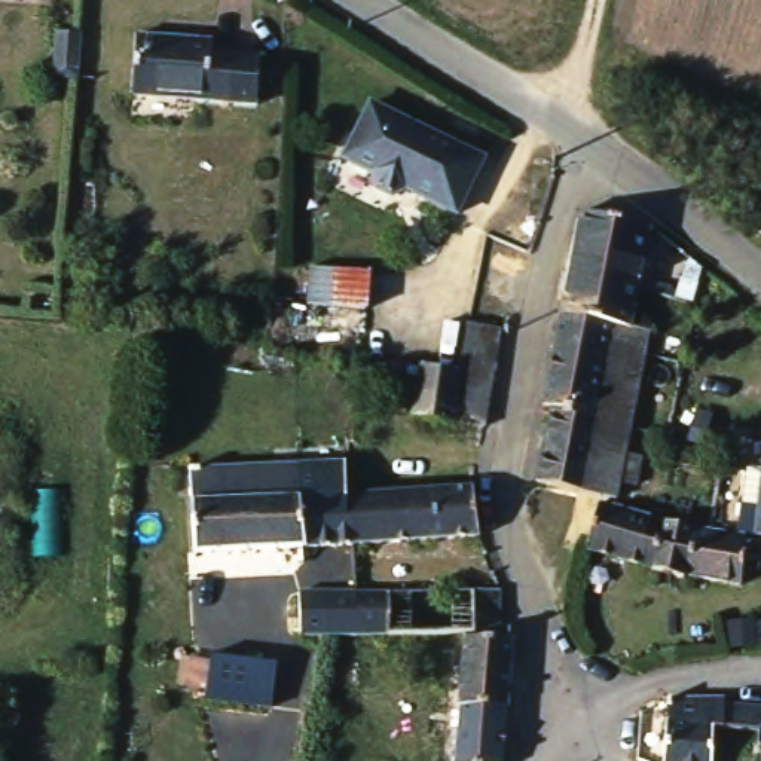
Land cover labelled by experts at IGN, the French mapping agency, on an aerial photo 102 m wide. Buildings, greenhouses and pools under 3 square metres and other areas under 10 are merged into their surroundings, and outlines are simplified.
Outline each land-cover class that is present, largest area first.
<instances>
[{"label":"herbaceous vegetation","instance_id":"1","mask_svg":"<svg viewBox=\"0 0 761 761\"><path fill-rule=\"evenodd\" d=\"M51 0H0V214H6L18 196L39 190L45 184H56V211L51 229L65 232L68 178L74 125L83 131H95L92 166L104 169L107 163H113L110 196L104 205V211L113 217H125L134 208H152L155 232H193L202 244H220L226 235H247L235 253L208 259V273L235 279L238 273L250 271H276V253L262 247V214L276 211L282 205V181L259 178L256 161L265 155H282V137H268V128L282 122L285 116V98H279L282 74L288 68H297V110L303 116L315 110L318 95L330 104L324 110V137L333 149L342 146L366 101L386 98L389 92L404 86L407 77L330 39V27L309 21L303 12L291 6V0H83L80 24L68 30V68L59 74L51 59L56 30L48 12ZM235 12L241 18V30H250L265 42V48H271L259 65L256 101V110L196 107L190 116H178V128L172 125L131 128L116 110V95L122 92L134 101L140 95L131 86L137 71L131 54L137 51L140 33H146L155 24L214 27L223 15ZM30 62H39L42 74L48 77L51 104L45 101L39 107H30L18 95V71ZM21 143H45V161L39 169L15 163ZM416 9L440 30L493 56L496 62L514 71H550L571 54L586 0H556L550 12V30H526L508 42H496L473 21L446 15L434 0H398ZM618 0H606L592 65V107L603 116L615 107V98L609 95L612 71L618 65L642 62L648 54L639 45L627 42L624 33H618ZM565 175L562 155L544 146L532 152L529 166L517 181V190H511L505 208L490 223L511 235H529V253L541 250L553 217V202ZM383 229L404 232L407 223L398 217L395 205L378 208L345 193L339 187V175L330 172V161H315V155L303 149L294 152L291 259L297 271L291 276L300 285L303 279H309V265L366 268L372 273L369 297L383 303L401 294L407 273L398 268H386L375 256V241ZM51 273H59V265H54L51 259L33 262L27 259L18 241H0V294H18V282H30L33 276L36 282H51ZM702 309V321L693 327L690 339L681 342L678 348H669L663 360L645 357L630 449L621 458V485H630V496L663 493L666 479L663 473L651 470V461L642 449L645 428L663 434L672 464H684V452L693 449L696 437L702 431H710L725 449V464L737 473L761 461V300L746 285H740L713 256L702 268L693 300ZM119 351L110 345L107 330L74 333L65 330L62 321L56 324L0 318V416L9 404H18L21 419L27 425L42 428V476H48L51 482L71 485L74 493L71 556H59L51 574L36 589L21 583V595H9L6 583H0V761H110L119 663L104 660L101 675H95L86 657L71 654V645L119 642L122 627L107 624L104 612L125 603L122 562L134 470L125 458L113 464L104 422L110 398V363ZM229 375L223 386V401L211 428L199 440L187 443L184 452L169 455L166 461H155L149 467V505L140 514L137 532V541L143 544L137 550V571L143 577V609L137 636L146 642L193 636L187 621V600L193 580L187 574V464L202 467L211 458L238 461L241 452L327 455L336 449H348L351 511L360 508L366 488L389 485L395 473H485L479 467V440H473L470 434L464 443L428 440L416 434V422L422 416H416L410 407H407L392 416V437L383 455L369 449H351L354 419L345 410L339 375L294 366L282 354H268L259 345H241L226 369ZM574 517V499L547 490L541 493L538 514H529V523L544 547L547 562L556 571V583L565 586L574 544L565 535ZM354 556L372 559L375 580H440L446 574H455L464 568L482 571L488 565L485 550L482 538L461 541L452 532H434L425 541L422 535H404L401 544L386 541L381 550L375 544L354 547ZM586 562L595 568V592L583 598V624L595 645L586 657V663L595 666L600 678L612 681L621 675L630 657L651 651L654 642L657 648H669L699 639L702 624L716 612H722L731 657H761V577L749 583L740 580L737 586H722L699 580L696 568L684 574L675 565L645 568L630 556H615L612 562L600 553H589ZM389 636H383L366 633L357 639H333L336 648L327 678V702L354 722L345 731L348 746L336 749L330 761H446L449 690L437 681H413L401 669L398 657L386 648ZM137 716L128 731V752H146V761H214L205 716L211 710L232 707V702L226 699H193L178 684L175 654L140 660L131 669Z\"/></svg>","mask_w":761,"mask_h":761},{"label":"building","instance_id":"2","mask_svg":"<svg viewBox=\"0 0 761 761\"><path fill-rule=\"evenodd\" d=\"M271 48H265V42L250 30H241V18L235 12L223 15L214 27L155 24L146 33H140L137 51L131 54L137 71L131 86L140 95H214L256 101L259 65ZM51 59L59 74L68 68V30H56ZM342 146L348 149V158L354 163L366 166H389L392 190L419 193L422 202L449 214L455 211V205H464L467 211L493 196V187L514 146L458 119L455 113L404 86L389 92L386 98L366 101ZM687 202V187H678L609 196L589 205L580 217L568 288L586 300V312L568 315L556 324L547 386L559 398H544L541 407H547L550 413L538 416L529 428L544 434L538 476L547 482L565 479L571 485L600 493L603 502L598 505L595 526L586 535L589 553H600L612 562L615 556H630L645 568L675 565L684 574L696 568L699 580L722 586H737L740 580L749 583L761 577V488L758 499L749 502V508L755 511L752 532H740L734 520H728V511L722 505H699L696 499H669L663 493L630 496V485H621V458L630 449L645 357L663 360L669 348H678L681 342L669 336V330L678 321L672 303L678 297L693 300L702 268L693 259L702 247L684 232ZM372 273L366 268L309 265V279H303L300 285L306 297L300 303H291L294 339L342 342L351 333H360L369 297ZM505 336L502 315L473 309L464 312L458 321L443 324L440 354H449V360L443 369L437 363L422 366L425 383L419 401L410 407L416 416H431L434 410L449 419L470 416H488L496 375V345ZM532 482L517 479L511 473H395L389 485L366 488L360 508L351 511L348 449H336L327 455L241 452L238 461L211 458L202 467L187 464V574L193 580H199L202 574H300V630L327 633L333 639H357L366 633L383 636L389 627L446 624L470 627L464 636H458L461 660L452 669L449 690L446 761H482L490 630L476 627V589L461 586L455 574H446L440 580L443 592L455 598V603L449 612H437L428 603L431 589L425 580H375L372 559L354 556V547L375 544L381 550L386 541L401 544L404 535H422L425 541L434 532H452L461 541L482 538L485 550L496 547L499 526L517 517L523 493ZM42 490L33 517V553L48 556L54 550L59 556H71L74 493L71 485L51 482L48 476H42ZM178 684L193 699H226L232 702V707L256 710L265 705H276V663L265 657L226 654V648H202L199 657L190 654L175 648V654ZM716 728L752 731V749H758V761H761V687L752 684L749 702H743L734 687L699 684L681 690L669 707V761H716Z\"/></svg>","mask_w":761,"mask_h":761},{"label":"impervious surface","instance_id":"3","mask_svg":"<svg viewBox=\"0 0 761 761\"><path fill-rule=\"evenodd\" d=\"M312 6H318L339 24L351 27L372 45L383 48L422 77L455 92L482 113L499 119L517 137L526 128H544V146L562 155L565 175L553 202V217L541 250L529 253V235H511L490 223L485 232L473 309L502 315L505 336L496 345V375L488 416H470V422L476 425L470 434L473 440H479V467L485 473H511L517 479L532 482L523 493L517 517L499 526L496 547L485 550L488 565L482 571L464 568L455 574L461 586L476 589V627L490 630L482 761H669V707L681 690L699 684L734 687L743 702H749L752 684L761 687V657H731L713 663L657 669L636 678L621 675L612 681L600 678L595 666L586 663V657L580 651H571L562 636L565 586L556 583V571L547 562L544 547L529 523V514H538L541 493L547 490V482L538 476L544 434L529 428L538 416L550 413L547 407H541L544 398H559L547 386L556 324L568 315L586 312V300L568 288L580 217L589 205L609 196L678 187L657 161L633 149L615 128L606 125L603 131L592 134L589 125L577 122L565 107L538 104L520 95L523 80L529 77L526 71H514L496 62L493 56L440 30L416 9L398 0H309ZM256 101L214 95H140L134 101L137 113L169 116L172 125L178 128V116H190L196 107L256 110ZM330 172L339 175V187L345 193L378 208L395 205L398 217L407 223L419 217L422 202L419 193L392 190L360 184L366 166L354 163L348 158V149L342 146L333 149L330 161ZM684 232L702 247L693 259L702 268L713 256L740 285H746L761 300V232L743 238L722 220H705L702 199L687 202ZM761 488V461L737 473L728 485V520H734L740 532H752L755 511L749 508V502L758 499ZM187 621L193 636L190 654L199 657L202 648H226V654L265 657L276 663V705H265L256 710L232 707L211 710L205 716L214 761H291L312 660L306 648L291 642V636L300 630V574H202L199 580H193L187 600Z\"/></svg>","mask_w":761,"mask_h":761},{"label":"deciduous trees","instance_id":"4","mask_svg":"<svg viewBox=\"0 0 761 761\"><path fill-rule=\"evenodd\" d=\"M609 95L615 98V107L603 116L606 125L615 128L633 149L657 161L678 187H687V202L702 199L705 220H722L743 238L761 232V74L734 77L728 68H719L707 56L648 54L642 62L618 65L612 71ZM113 163H107L104 169L92 166L89 181L68 178L65 232L51 229V259L54 265H59V273L62 321L65 330L74 333L107 330L110 345L119 351L110 363V398L104 422L113 464L125 458L134 470L137 464L149 467L155 461H166L169 455L184 452L187 443L199 440L211 428L223 401V386L229 375L226 369L241 345H259L268 354H282L294 366L339 375L345 410L354 419L351 449H369L383 455L392 437V416L407 407L398 401V389L378 375L375 366H363L372 348L369 336L360 333H351L342 342L294 339L291 303H300L306 297L300 285L291 276L276 271H250L238 273L235 279L208 273V259L235 253L247 235H226L220 244H202L193 232H155L152 208H134L125 217H113L104 211V205L110 196ZM360 184L392 190L389 166H366ZM467 226V211L464 205H455V211L449 214L422 202L419 217L407 223L404 232L383 229L375 241V256L386 268H398L407 273L419 268L431 253H440L452 235H458ZM42 428L27 425L21 419L18 404H9L0 416V583H6L9 595H21V583L36 589L51 574L59 556L54 550L48 556L33 553V517L42 490ZM476 425L470 422V416L449 419L434 410L431 416H422L416 422V434L428 440L464 443ZM431 589L428 603L437 612H449L455 603V598L443 592L440 580H425ZM470 627L446 624L389 627L383 636H464Z\"/></svg>","mask_w":761,"mask_h":761},{"label":"brushwood","instance_id":"5","mask_svg":"<svg viewBox=\"0 0 761 761\"><path fill-rule=\"evenodd\" d=\"M48 12L56 30H68L80 24L83 0H51ZM291 6L303 12L309 21L330 27V39L407 77L404 86L455 113L458 119L514 146L517 137L499 119L482 113L455 92L422 77L383 48L372 45L351 27L339 24L318 6H312L309 0H291ZM18 95L30 107H39L45 101L51 104L48 77L42 74L39 62H30L18 71ZM279 98H285V116L282 122L268 128V137H282V155H265L256 161L259 178L282 181V205L276 211L262 214V247L276 253V271L291 276L297 271L291 259L294 152L303 149L315 155V161H330L333 149L324 137V110L330 104L318 95L315 110L303 116L297 110V68H288L282 74ZM116 110L131 128L172 125L169 116L137 113L134 101L122 92L116 95ZM95 131H83L74 125L68 178L89 181L92 166ZM45 161V143H21L15 163L39 169ZM56 211V184H45L39 190L18 196L6 214H0V241H18L27 259L33 262L51 259V229ZM0 318L56 324L62 321L59 273H51V282H36L33 276L30 282H18V294H0ZM678 321L669 330V336L681 342L690 339L693 327L702 321V309L693 300L678 297L672 303ZM642 449L651 461V470L663 473L666 479L663 493L669 499H696L699 505H722L728 511V485L737 473L725 464V449L710 431H702L696 437L693 449L684 452V464H672L663 434L645 428ZM149 505V467L137 464L134 470L122 562L125 603L104 612L107 624L122 627L119 642L71 645V654L86 657L95 675H101L104 660L119 663L110 761H146V752H128V731L137 716L131 669L140 660L175 654V648L190 654L193 636L146 642L137 636L143 609V577L137 571V550L143 544L137 541V532L140 514ZM589 553L586 535L574 544L565 586L562 636L571 651H580L586 657L595 645L583 624V598L595 592V568L586 562ZM731 657L722 612H716L702 624L699 639L669 648H657L654 642L651 651L630 657L621 675L636 678L657 669L713 663ZM291 642L306 648L312 660L291 761H330L336 749L348 746L345 731L354 722L327 702V678L336 648L333 639L327 633L300 630L291 636ZM386 648L398 657L401 669L413 681H437L449 690L452 669L461 660L458 636H389Z\"/></svg>","mask_w":761,"mask_h":761},{"label":"pervious surface","instance_id":"6","mask_svg":"<svg viewBox=\"0 0 761 761\"><path fill-rule=\"evenodd\" d=\"M606 0H586L571 54L550 71H526L529 77L523 80L520 95L538 104L565 107L577 122L589 125L592 134L603 131L606 125L603 116L592 107V65ZM544 128H526L517 137L514 146L493 187V196L467 211V226L458 235H452L440 253H431L419 268L407 273L401 294L383 303L369 297L360 333L369 336L372 348L363 366H375L378 375L398 389V401L407 407H410L419 401L425 383L422 366L437 363L443 369L449 360V354H440L443 324L458 321L464 312L473 309L485 232L490 223L505 208L511 190H517V181L529 166L532 152L544 146ZM547 490L574 499V517L565 535L574 544L586 535L595 526L598 505L603 502L600 493L571 485L565 479L547 482ZM716 761H758V749H752V731L716 728Z\"/></svg>","mask_w":761,"mask_h":761},{"label":"agricultural land","instance_id":"7","mask_svg":"<svg viewBox=\"0 0 761 761\"><path fill-rule=\"evenodd\" d=\"M446 15L473 21L496 42H508L526 30H550V12L556 0H434ZM618 33H624L627 42L639 45L648 54L707 56L719 68H728L734 77L761 74V0H618Z\"/></svg>","mask_w":761,"mask_h":761}]
</instances>
